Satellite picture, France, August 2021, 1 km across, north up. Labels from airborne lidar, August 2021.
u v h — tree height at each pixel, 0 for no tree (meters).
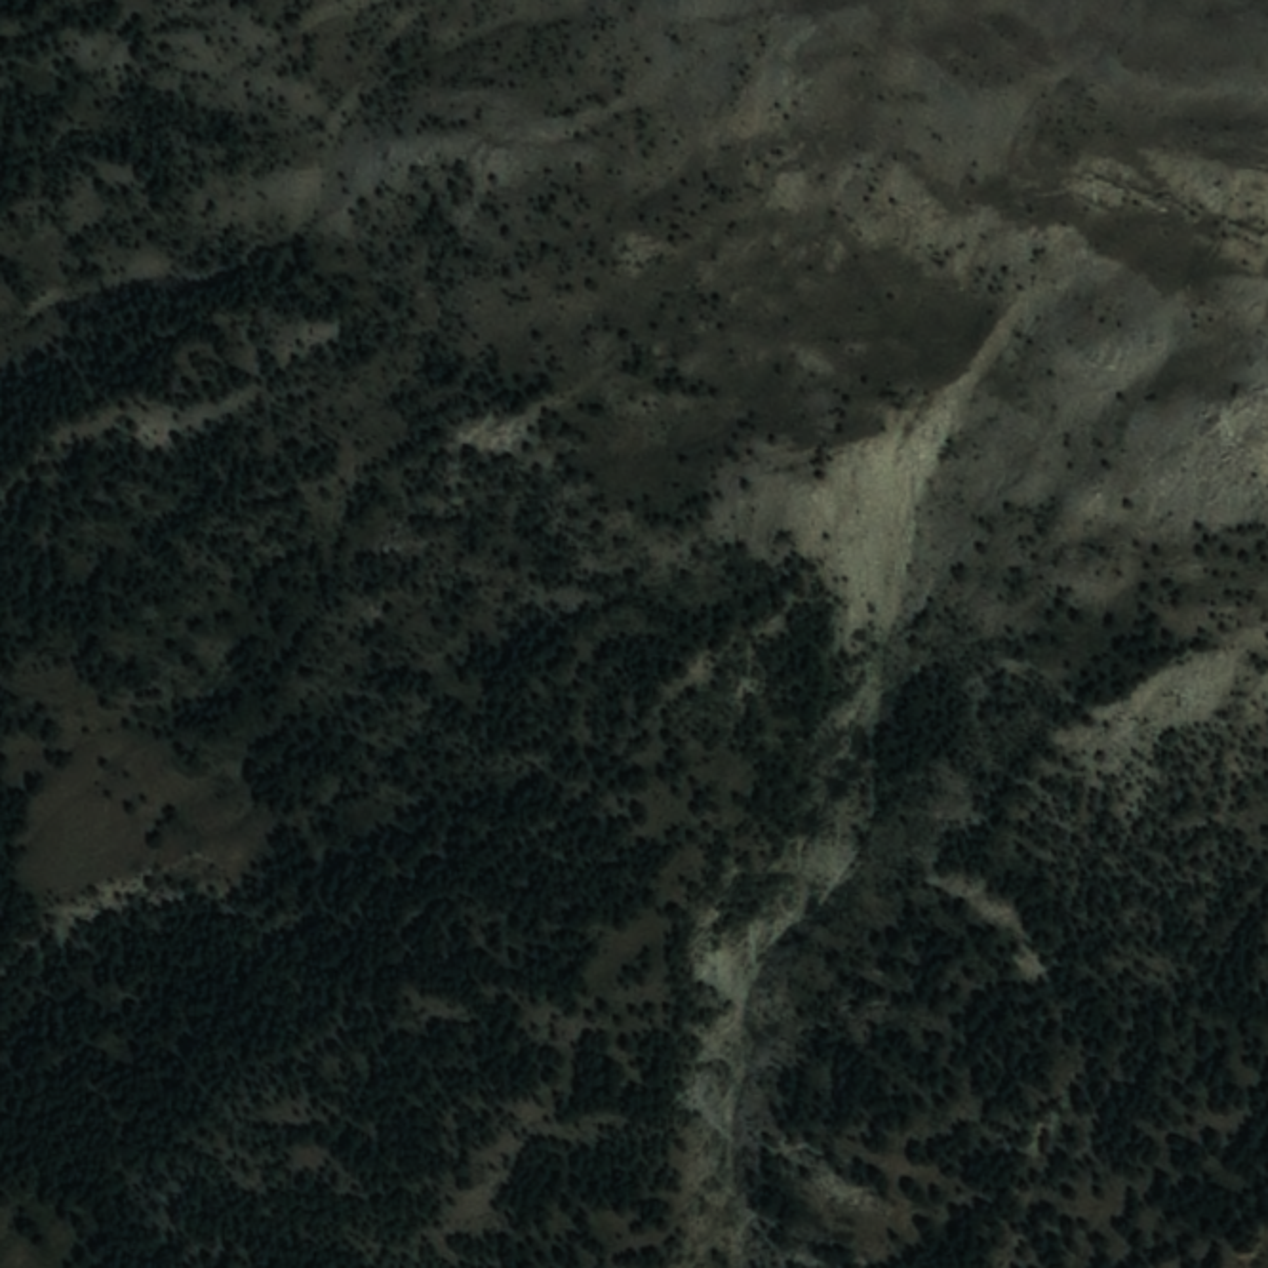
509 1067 7
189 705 11
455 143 0
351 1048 19
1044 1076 12
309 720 11
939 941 16
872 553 0
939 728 10
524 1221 26
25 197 7
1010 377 0
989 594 0
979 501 0
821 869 0
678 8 0
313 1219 14
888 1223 0
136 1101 17
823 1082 0
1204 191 0
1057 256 0
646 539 0
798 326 0
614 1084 24
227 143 10
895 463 0
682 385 10
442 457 7
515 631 11
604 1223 0
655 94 0
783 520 0
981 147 0
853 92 0
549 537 6
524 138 0
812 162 0
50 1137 21
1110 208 0
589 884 14
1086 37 0
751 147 0
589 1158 20
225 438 11
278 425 12
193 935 13
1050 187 0
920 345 0
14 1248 0
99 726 0
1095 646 0
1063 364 0
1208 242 0
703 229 0
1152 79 0
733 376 0
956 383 0
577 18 0
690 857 0
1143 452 0
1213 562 0
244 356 0
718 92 0
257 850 0
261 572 9
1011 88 0
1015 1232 15
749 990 0
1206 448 0
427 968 18
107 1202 22
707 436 0
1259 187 0
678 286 0
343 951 21
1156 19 0
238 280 10
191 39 0
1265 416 0
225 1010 18
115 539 0
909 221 0
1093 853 7
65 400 13
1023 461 0
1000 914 0
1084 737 0
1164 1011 15
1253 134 0
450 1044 18
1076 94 0
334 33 0
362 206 9
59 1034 20
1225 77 0
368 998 18
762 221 0
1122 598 0
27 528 21
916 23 0
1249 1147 24
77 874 0
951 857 11
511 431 0
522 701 9
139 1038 15
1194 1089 12
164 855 0
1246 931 12
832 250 0
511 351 0
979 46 0
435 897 18
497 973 17
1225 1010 13
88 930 18
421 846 13
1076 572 0
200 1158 8
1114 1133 20
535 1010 10
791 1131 9
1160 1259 15
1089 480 0
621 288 0
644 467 0
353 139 0
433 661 0
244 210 0
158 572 7
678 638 8
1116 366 0
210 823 0
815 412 0
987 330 0
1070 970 10
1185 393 0
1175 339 0
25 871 0
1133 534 0
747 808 10
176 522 14
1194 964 11
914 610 0
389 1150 14
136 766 0
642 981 15
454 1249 20
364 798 8
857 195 0
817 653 12
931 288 0
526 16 0
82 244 15
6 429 20
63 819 0
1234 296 0
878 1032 18
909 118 0
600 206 0
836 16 0
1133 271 0
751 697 11
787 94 0
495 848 13
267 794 14
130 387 10
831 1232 0
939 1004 15
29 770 0
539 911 16
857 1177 11
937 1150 19
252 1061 21
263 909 13
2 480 16
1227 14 0
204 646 0
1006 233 0
